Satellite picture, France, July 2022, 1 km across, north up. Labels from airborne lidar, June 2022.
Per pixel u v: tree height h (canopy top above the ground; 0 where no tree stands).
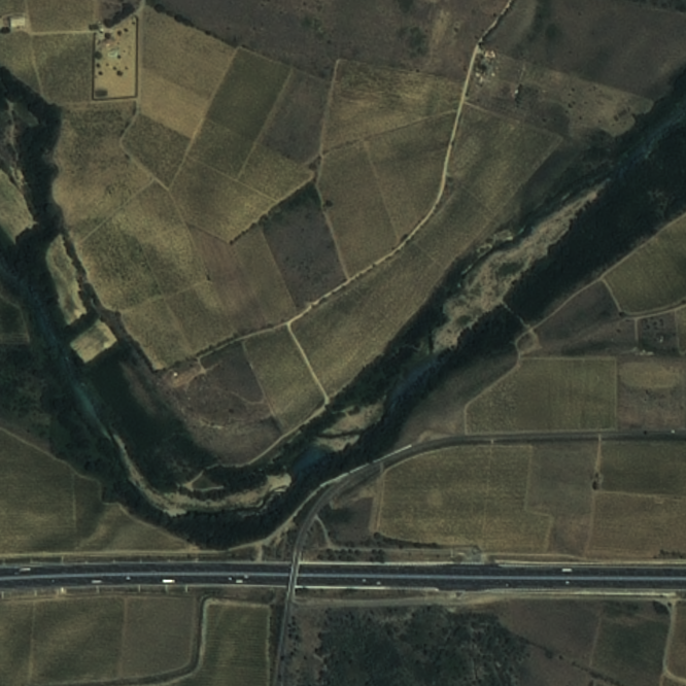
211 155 0
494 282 0
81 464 7
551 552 0
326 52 0
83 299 8
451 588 0
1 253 17
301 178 0
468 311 0
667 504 0
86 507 0
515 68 0
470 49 0
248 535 13
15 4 0
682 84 14
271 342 0
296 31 0
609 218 8
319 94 0
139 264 0
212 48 0
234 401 0
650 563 0
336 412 13
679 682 0
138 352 7
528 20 0
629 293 0
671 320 0
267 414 0
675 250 0
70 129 0
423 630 0
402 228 0
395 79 0
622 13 0
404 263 0
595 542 0
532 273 7
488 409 0
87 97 0
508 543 0
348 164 0
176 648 0
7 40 0
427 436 0
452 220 0
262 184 0
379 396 9
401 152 0
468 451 0
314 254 0
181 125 0
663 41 0
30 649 0
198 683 0
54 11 0
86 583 0
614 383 0
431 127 0
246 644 0
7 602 0
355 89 0
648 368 0
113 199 0
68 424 10
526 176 0
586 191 0
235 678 0
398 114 0
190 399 0
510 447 0
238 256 0
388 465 0
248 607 0
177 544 0
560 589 0
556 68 0
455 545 0
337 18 0
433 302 9
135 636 0
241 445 0
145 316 0
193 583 0
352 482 0
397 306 0
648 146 6
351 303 0
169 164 0
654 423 0
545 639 0
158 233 0
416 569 0
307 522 0
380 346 0
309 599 0
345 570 0
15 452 0
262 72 0
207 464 8
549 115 0
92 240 0
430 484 0
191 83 0
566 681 0
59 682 0
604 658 0
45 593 0
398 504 0
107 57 0
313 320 0
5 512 0
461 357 9
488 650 7
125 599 0
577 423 0
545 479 0
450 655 7
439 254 0
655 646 0
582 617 0
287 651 0
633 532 0
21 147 9
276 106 0
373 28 0
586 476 0
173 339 0
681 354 0
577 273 9
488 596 0
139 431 8
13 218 0
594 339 0
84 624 0
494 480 0
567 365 0
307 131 0
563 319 0
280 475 13
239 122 0
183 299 0
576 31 0
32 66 0
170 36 0
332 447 0
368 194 0
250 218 0
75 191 0
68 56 0
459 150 0
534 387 0
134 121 0
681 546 0
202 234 0
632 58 0
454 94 0
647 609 0
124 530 0
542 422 0
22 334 0
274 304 0
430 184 0
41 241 9
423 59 0
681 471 0
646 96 0
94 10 0
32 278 11
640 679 0
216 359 0
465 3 0
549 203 12
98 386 5
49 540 0
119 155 0
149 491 0
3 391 6
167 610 0
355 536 0
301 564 0
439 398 0
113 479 9
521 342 0
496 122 0
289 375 0
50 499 0
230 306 0
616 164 8
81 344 0
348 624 9
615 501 0
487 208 0
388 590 0
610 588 0
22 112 0
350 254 0
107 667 0
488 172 0
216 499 16
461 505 0
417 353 9
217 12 0
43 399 9
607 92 0
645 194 6
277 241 0
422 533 0
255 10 0
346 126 0
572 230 12
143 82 0
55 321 7
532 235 0
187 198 0
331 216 0
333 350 0
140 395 0
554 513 0
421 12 0
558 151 0
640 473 0
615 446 0
